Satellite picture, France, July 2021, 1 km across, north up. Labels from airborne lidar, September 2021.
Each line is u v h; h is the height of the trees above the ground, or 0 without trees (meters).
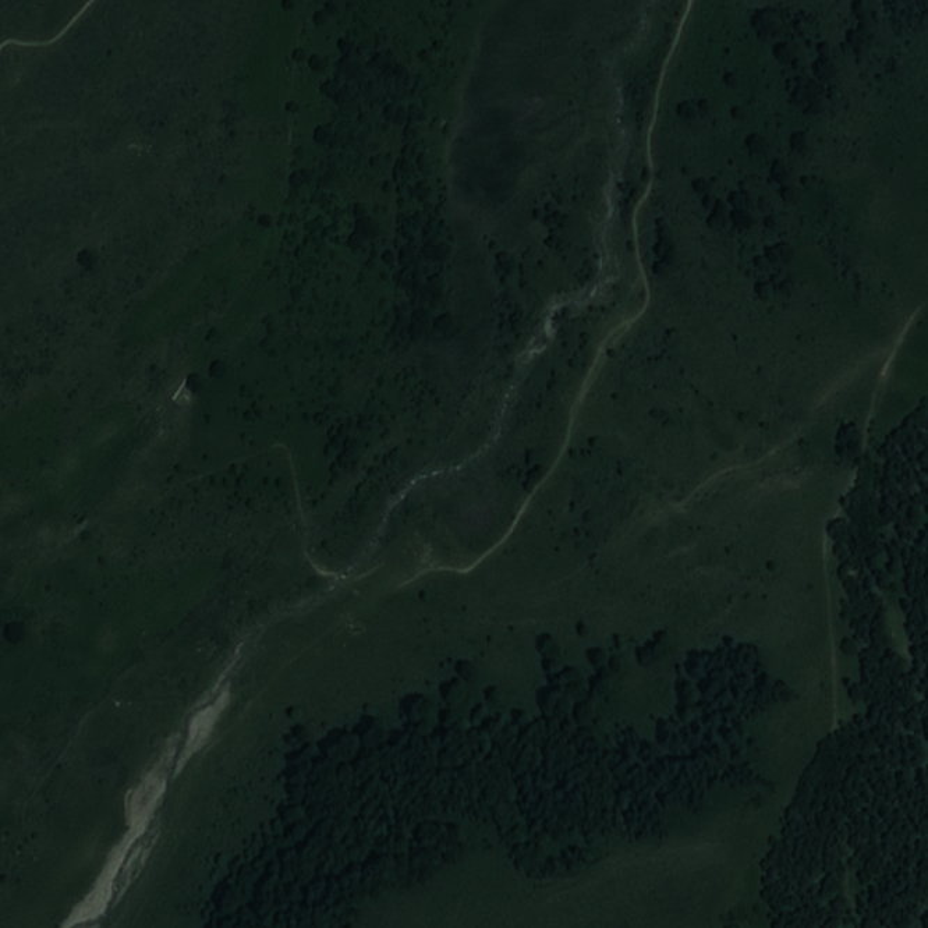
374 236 18
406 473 0
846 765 22
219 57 0
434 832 24
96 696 0
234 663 0
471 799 22
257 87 0
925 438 30
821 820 23
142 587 0
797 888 23
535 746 23
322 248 8
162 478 0
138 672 0
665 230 13
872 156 0
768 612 0
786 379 0
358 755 15
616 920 0
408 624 0
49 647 0
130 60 0
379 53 8
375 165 14
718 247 0
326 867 33
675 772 23
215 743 0
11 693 0
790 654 0
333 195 7
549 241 13
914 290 0
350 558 0
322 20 17
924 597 23
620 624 0
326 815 23
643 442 0
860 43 13
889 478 20
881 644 22
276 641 0
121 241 0
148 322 0
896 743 33
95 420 0
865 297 0
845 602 11
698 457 0
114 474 0
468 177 0
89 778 0
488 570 0
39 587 0
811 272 0
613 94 0
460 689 16
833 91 11
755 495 0
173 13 0
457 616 0
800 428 0
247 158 0
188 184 0
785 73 7
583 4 0
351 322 5
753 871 0
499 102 0
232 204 0
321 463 0
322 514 0
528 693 0
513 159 0
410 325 10
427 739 14
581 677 24
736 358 0
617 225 0
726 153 0
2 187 0
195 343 0
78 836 0
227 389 0
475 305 0
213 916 9
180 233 0
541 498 0
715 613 0
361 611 0
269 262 7
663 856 0
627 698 0
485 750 27
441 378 0
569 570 0
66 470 0
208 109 0
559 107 0
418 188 13
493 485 0
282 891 24
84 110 0
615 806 14
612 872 0
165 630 0
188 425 0
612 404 0
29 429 0
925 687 23
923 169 0
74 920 0
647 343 0
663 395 0
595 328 0
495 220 0
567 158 0
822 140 5
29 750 0
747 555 0
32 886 0
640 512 0
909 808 27
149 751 0
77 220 0
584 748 22
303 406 7
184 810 0
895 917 24
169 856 0
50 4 0
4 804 0
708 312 0
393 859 18
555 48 0
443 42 12
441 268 8
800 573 0
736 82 16
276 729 0
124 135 0
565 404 0
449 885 0
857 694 20
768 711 11
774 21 18
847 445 13
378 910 0
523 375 0
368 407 7
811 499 0
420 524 0
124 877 0
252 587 0
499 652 0
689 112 17
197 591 0
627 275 0
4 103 0
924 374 0
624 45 0
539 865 19
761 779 12
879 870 27
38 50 0
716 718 17
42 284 0
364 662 0
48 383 0
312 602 0
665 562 0
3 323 0
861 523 20
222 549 0
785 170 16
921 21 11
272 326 11
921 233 0
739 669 29
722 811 0
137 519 0
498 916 0
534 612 0
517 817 21
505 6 0
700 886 0
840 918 20
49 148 0
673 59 0
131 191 0
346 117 6
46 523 0
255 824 0
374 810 25
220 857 8
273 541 0
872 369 0
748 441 0
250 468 5
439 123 9
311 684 0
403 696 0
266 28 0
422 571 0
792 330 0
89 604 0
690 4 0
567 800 20
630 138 0
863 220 0
